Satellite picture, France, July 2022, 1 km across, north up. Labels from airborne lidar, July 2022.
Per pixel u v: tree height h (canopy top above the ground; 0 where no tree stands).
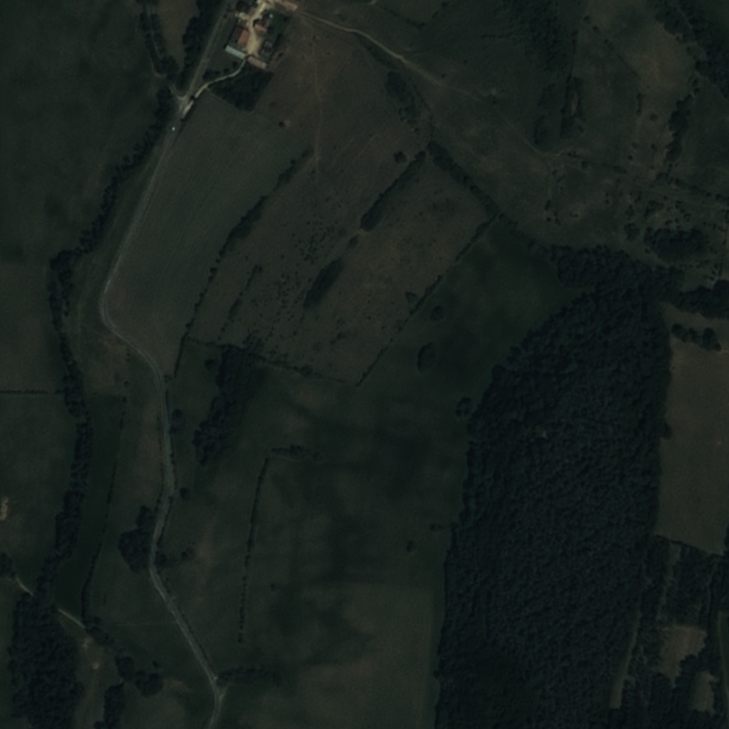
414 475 0
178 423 17
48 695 21
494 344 0
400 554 0
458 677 18
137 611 0
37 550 0
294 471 0
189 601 0
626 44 0
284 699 0
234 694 0
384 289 0
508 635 28
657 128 0
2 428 0
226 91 6
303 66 0
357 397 0
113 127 0
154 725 0
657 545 18
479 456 17
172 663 0
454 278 0
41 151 0
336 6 0
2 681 0
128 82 0
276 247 0
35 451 0
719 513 0
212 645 0
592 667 23
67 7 0
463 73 0
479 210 0
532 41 5
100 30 0
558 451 22
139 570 12
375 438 0
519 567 24
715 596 10
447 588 8
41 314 0
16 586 0
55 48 0
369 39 0
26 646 22
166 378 6
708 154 0
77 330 0
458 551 19
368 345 0
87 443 21
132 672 23
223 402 6
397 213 0
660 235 11
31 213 0
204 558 0
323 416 0
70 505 21
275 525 0
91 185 0
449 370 0
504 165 0
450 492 0
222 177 0
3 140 0
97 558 7
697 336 21
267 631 0
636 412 23
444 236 0
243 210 0
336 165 0
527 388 28
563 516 25
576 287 11
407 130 0
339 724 0
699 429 0
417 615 0
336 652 0
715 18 0
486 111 0
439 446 0
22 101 0
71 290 18
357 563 0
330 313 0
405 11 0
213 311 0
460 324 0
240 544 0
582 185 0
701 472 0
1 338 0
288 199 0
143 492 0
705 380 0
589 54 0
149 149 9
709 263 6
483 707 18
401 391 0
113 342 0
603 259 19
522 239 6
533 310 0
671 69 0
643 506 25
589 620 21
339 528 0
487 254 0
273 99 0
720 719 13
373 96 0
